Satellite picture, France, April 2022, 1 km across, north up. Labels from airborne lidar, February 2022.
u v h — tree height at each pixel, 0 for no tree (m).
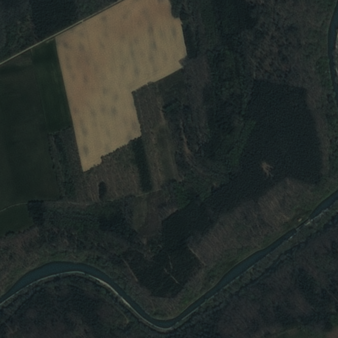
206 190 24
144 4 0
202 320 21
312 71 21
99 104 0
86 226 23
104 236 18
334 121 25
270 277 16
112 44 0
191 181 20
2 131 0
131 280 19
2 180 0
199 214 23
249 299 25
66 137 11
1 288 23
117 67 0
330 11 17
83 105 0
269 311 25
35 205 20
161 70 0
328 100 21
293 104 27
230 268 0
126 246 26
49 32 18
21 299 17
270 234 28
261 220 27
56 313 14
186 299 24
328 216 23
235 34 20
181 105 20
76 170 8
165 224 14
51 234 27
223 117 34
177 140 26
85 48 0
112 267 21
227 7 20
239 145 27
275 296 23
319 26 28
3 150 0
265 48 30
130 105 0
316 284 26
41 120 0
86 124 0
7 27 12
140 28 0
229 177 20
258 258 0
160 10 0
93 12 19
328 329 28
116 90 0
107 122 0
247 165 28
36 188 0
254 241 22
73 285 16
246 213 25
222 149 19
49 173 0
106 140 0
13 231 0
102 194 21
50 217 28
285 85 25
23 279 0
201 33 20
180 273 8
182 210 20
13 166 0
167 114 19
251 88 31
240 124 16
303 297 25
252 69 31
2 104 0
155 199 0
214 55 17
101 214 13
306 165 28
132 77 0
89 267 0
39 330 15
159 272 8
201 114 32
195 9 18
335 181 23
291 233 0
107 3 22
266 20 28
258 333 24
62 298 18
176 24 0
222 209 25
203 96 32
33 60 0
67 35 0
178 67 0
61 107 0
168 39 0
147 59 0
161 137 0
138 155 8
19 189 0
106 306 22
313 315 23
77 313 17
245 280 25
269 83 17
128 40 0
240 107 21
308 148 25
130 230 25
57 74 0
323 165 24
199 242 19
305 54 26
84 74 0
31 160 0
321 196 28
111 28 0
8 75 0
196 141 26
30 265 26
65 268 0
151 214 0
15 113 0
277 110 29
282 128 28
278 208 24
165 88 0
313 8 27
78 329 24
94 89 0
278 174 21
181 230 13
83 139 0
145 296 24
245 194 25
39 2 22
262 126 26
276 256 25
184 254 8
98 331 21
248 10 19
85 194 14
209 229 21
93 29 0
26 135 0
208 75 35
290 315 23
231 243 28
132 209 25
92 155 0
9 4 23
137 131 0
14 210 0
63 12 19
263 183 26
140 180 9
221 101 25
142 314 0
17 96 0
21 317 15
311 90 21
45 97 0
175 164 0
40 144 0
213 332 25
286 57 22
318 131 23
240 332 28
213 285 20
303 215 0
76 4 13
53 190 0
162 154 0
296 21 27
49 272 0
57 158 11
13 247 21
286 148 26
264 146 24
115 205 12
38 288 17
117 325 15
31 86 0
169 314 21
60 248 26
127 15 0
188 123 30
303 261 22
